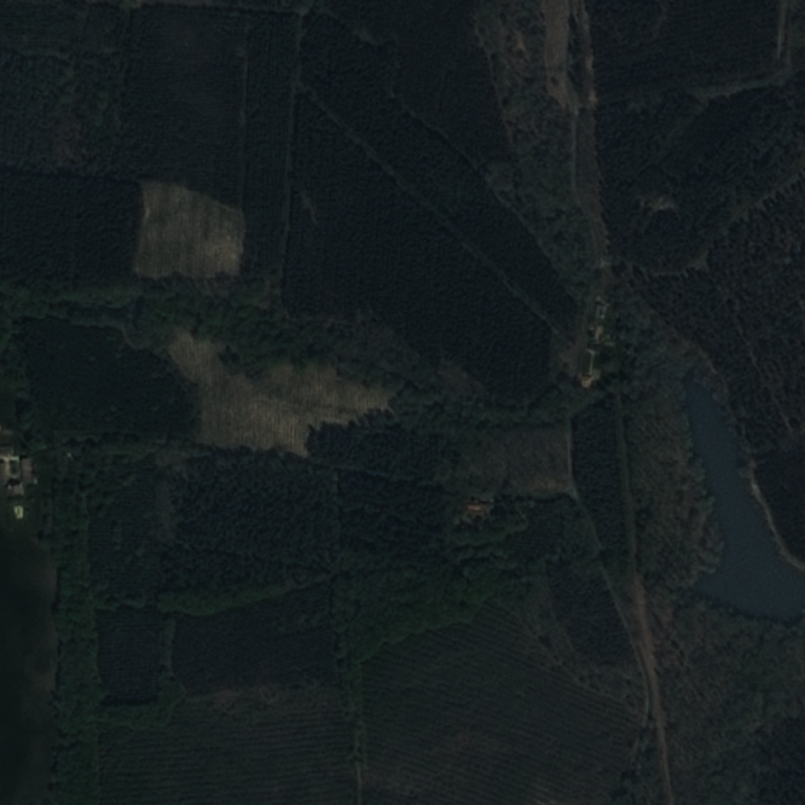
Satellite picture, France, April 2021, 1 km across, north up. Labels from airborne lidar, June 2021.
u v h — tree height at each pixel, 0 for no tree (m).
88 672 15
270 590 17
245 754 7
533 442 26
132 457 11
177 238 0
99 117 14
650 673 0
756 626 21
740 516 0
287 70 13
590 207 12
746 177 14
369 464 19
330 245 17
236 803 7
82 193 19
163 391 10
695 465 22
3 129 16
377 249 17
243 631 9
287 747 9
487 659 9
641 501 18
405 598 23
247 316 19
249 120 8
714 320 18
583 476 18
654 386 20
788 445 16
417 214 20
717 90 16
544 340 16
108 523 7
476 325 17
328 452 20
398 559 15
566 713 9
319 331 14
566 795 6
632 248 20
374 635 21
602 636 16
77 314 22
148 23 10
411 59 15
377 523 21
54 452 19
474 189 15
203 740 7
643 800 19
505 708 7
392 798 7
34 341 13
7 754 0
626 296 10
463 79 13
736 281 21
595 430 19
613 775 13
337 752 6
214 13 9
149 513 11
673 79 15
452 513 10
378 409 0
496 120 12
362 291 15
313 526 22
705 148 8
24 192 19
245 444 0
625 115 20
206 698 9
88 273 21
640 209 18
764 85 10
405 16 14
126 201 18
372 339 11
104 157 9
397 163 17
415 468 22
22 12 8
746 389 21
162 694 18
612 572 21
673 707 17
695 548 22
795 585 0
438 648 6
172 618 11
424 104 14
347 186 18
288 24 13
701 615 17
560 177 19
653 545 20
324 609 8
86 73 9
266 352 19
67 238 21
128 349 11
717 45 13
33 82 12
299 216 13
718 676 21
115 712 23
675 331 21
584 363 0
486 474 15
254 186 11
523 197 14
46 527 11
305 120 18
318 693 7
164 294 23
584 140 15
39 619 0
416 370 13
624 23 21
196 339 13
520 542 7
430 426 19
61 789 14
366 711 7
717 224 17
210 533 24
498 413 24
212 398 0
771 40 12
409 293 18
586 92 14
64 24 9
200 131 7
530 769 7
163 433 10
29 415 21
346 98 18
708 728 20
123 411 11
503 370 19
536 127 15
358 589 24
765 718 25
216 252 0
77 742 10
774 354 22
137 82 12
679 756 20
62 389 11
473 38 14
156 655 8
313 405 0
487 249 19
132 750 8
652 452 21
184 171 9
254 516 23
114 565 7
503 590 16
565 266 20
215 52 8
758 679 16
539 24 20
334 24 17
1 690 0
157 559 7
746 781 19
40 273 23
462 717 6
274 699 9
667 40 15
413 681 8
